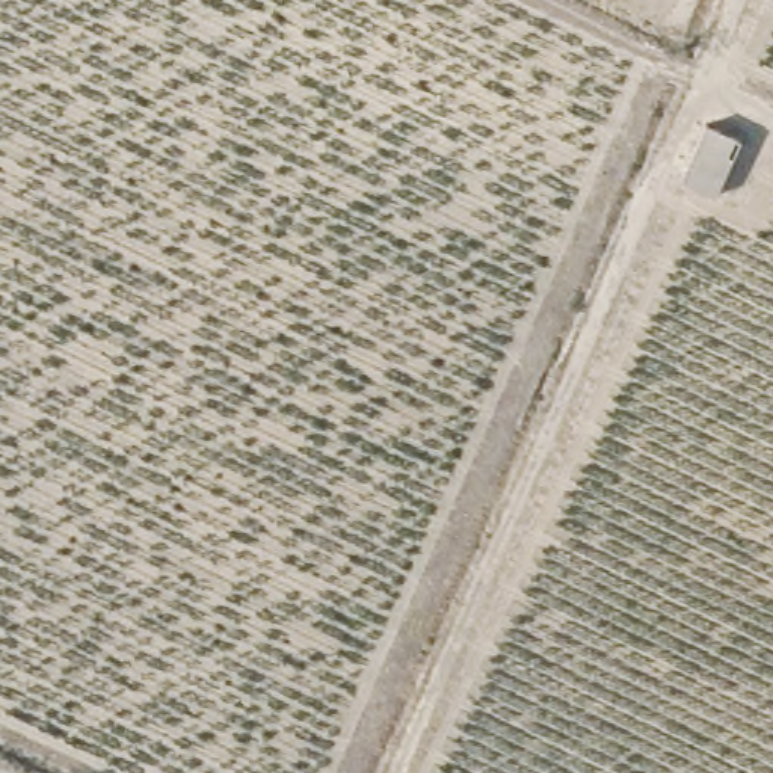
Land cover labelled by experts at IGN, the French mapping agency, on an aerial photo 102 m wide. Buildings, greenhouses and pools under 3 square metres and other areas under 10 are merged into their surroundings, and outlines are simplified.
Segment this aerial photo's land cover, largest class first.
<instances>
[{"label":"vineyard","instance_id":"1","mask_svg":"<svg viewBox=\"0 0 773 773\"><path fill-rule=\"evenodd\" d=\"M713 0H698L685 27H661L649 18L634 24L619 12L598 6L595 0H0V773H338L353 743L362 710L374 701V682L399 640L402 622L411 613L414 595L420 592V580L429 562L435 559L441 534L447 531L456 495L489 432L495 405L507 390L513 368L525 356L531 326L537 323V311L550 296L562 257L571 248L574 226L586 214V202L595 196V181L604 169L610 145L631 115V103L640 82L661 75L667 57L691 60L698 48H707L713 33L704 30V15ZM559 525L568 528V540L562 547H544L537 574L525 589L528 607L525 613L513 616L510 628L504 631V640L498 643V652L489 661L486 685L480 688V698H474L468 722H462V731L456 737V752H450L447 764H441V773H773V226L761 233H737L719 223L716 217H698V229L691 233L688 245L682 248V257L667 275V302H661L658 314L649 317L646 338L640 341V356L634 359L628 383H622L613 402L610 423L604 426V435L589 453V465L580 468L577 486L568 492V507L559 519Z\"/></svg>","mask_w":773,"mask_h":773},{"label":"pervious surface","instance_id":"2","mask_svg":"<svg viewBox=\"0 0 773 773\"><path fill-rule=\"evenodd\" d=\"M749 60V54L743 48L728 45L719 54H713L707 48H698L691 60L694 85L685 97V106L673 121L667 145H661L652 160L649 157L634 181L625 214L619 217L610 248L598 266L595 287L586 293L589 308L574 314V323L565 335L562 353L571 356V365L556 390V399L550 402L547 414H534L531 432L507 474V486H495L486 498L492 504V540L486 544V550L477 553L462 583V592L441 625L429 688L414 707V713L402 719V743L387 749V755L377 764V773H441V764H447L450 752H456V737L462 731V722H468L474 698H480V688L486 685L489 661L498 652V643L504 640V631L510 628L513 616L525 613L528 607L525 589L537 574L544 547H562L568 540V528L559 525V519L568 507V492L577 486L580 468L589 465V453L604 435V426L610 423L613 402L622 383H628L634 359L640 356V341L646 338L649 317L658 314L661 302H667V275L682 257V248L688 245L691 233L698 229V217H716L719 223L737 233H761L773 226V85L761 79H743V63ZM746 118L761 124L767 133L746 184L737 190H725L719 196H698L685 184V172L694 160L698 142L710 130L713 121Z\"/></svg>","mask_w":773,"mask_h":773},{"label":"herbaceous vegetation","instance_id":"3","mask_svg":"<svg viewBox=\"0 0 773 773\"><path fill-rule=\"evenodd\" d=\"M676 91L661 75L640 82L631 103V115L610 145L604 169L595 181V196L586 202V214L574 226L571 248L562 257L550 296L537 311V323L531 326L525 356L513 368L507 390L495 405L489 432L456 495L447 531L441 534L435 559L429 562L420 580V592L414 595L411 613L402 622L399 640L374 682V701L362 710L353 743L338 773H377V764L387 755V749L402 743V719L414 713V707L429 688L441 625L462 592V583L477 553L486 550V544L492 540V504L486 498L495 486H507V474L531 432L534 414H547L550 402L556 399V390L571 365V356L562 353L565 335L574 323V314L589 308L586 293L595 287L598 266L610 248L619 217L625 214L634 181L649 157L658 121L664 118V106L673 100Z\"/></svg>","mask_w":773,"mask_h":773},{"label":"plowed land","instance_id":"4","mask_svg":"<svg viewBox=\"0 0 773 773\"><path fill-rule=\"evenodd\" d=\"M598 6L619 12L634 24L649 18L661 27H685L698 0H595ZM704 30L713 33L707 48L713 54H719L728 45L743 48L749 54V60L743 63V79H761L773 85V0H713L704 15ZM661 75L676 91L673 100L664 106V118L658 121L649 157L652 160L661 145H667L673 121L685 106V97L694 85L691 60L667 57ZM710 130L737 142L725 190H737L746 184L767 133L761 124L746 118L713 121Z\"/></svg>","mask_w":773,"mask_h":773},{"label":"building","instance_id":"5","mask_svg":"<svg viewBox=\"0 0 773 773\"><path fill-rule=\"evenodd\" d=\"M737 142L710 130L698 142L694 160L685 172V184L698 196H719L725 190Z\"/></svg>","mask_w":773,"mask_h":773}]
</instances>
